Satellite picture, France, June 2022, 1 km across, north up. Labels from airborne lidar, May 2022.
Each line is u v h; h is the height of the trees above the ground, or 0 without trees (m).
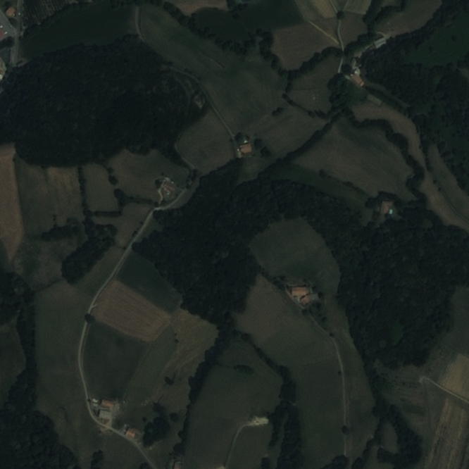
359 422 0
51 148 25
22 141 21
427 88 20
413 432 10
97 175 0
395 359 14
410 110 18
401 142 10
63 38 0
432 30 13
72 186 0
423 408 0
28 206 0
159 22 0
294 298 0
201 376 17
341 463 19
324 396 0
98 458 9
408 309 20
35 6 6
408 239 24
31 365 22
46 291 0
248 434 0
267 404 0
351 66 13
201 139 0
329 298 0
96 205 0
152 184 0
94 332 0
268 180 11
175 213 16
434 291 27
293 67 0
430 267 27
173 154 19
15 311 22
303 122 0
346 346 0
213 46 0
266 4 0
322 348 0
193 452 0
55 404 0
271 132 0
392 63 15
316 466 0
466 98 16
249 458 0
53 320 0
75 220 0
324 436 0
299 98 0
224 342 24
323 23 0
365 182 0
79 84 23
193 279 28
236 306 22
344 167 0
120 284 0
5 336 0
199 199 21
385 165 0
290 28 0
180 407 0
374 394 7
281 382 0
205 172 0
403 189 0
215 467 0
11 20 8
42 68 27
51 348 0
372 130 0
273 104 0
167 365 0
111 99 24
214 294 23
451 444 0
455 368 0
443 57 0
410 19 0
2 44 15
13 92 31
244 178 0
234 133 0
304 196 29
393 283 18
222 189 27
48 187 0
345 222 26
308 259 0
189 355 0
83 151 22
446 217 0
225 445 0
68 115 25
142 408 0
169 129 26
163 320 0
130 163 0
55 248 0
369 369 11
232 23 0
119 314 0
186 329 0
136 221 0
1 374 0
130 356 0
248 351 0
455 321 0
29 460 24
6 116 26
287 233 0
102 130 26
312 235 0
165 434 23
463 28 0
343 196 0
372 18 18
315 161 0
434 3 0
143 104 34
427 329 23
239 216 28
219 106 0
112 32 0
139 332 0
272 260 0
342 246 21
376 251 23
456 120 16
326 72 0
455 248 28
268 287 0
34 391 22
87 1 6
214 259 27
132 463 0
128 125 26
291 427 21
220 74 0
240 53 14
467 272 18
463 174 13
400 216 0
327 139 0
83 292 0
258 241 0
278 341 0
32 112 28
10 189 0
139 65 24
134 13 0
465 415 0
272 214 27
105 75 27
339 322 0
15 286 27
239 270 19
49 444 30
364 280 21
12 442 29
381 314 19
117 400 0
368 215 0
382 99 16
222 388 0
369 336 21
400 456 8
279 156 0
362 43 21
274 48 0
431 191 0
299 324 0
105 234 23
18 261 0
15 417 26
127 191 0
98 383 0
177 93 30
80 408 0
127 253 0
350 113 10
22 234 0
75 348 0
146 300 0
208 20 0
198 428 0
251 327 0
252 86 0
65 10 16
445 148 16
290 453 21
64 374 0
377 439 6
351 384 0
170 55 0
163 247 24
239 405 0
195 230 26
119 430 0
